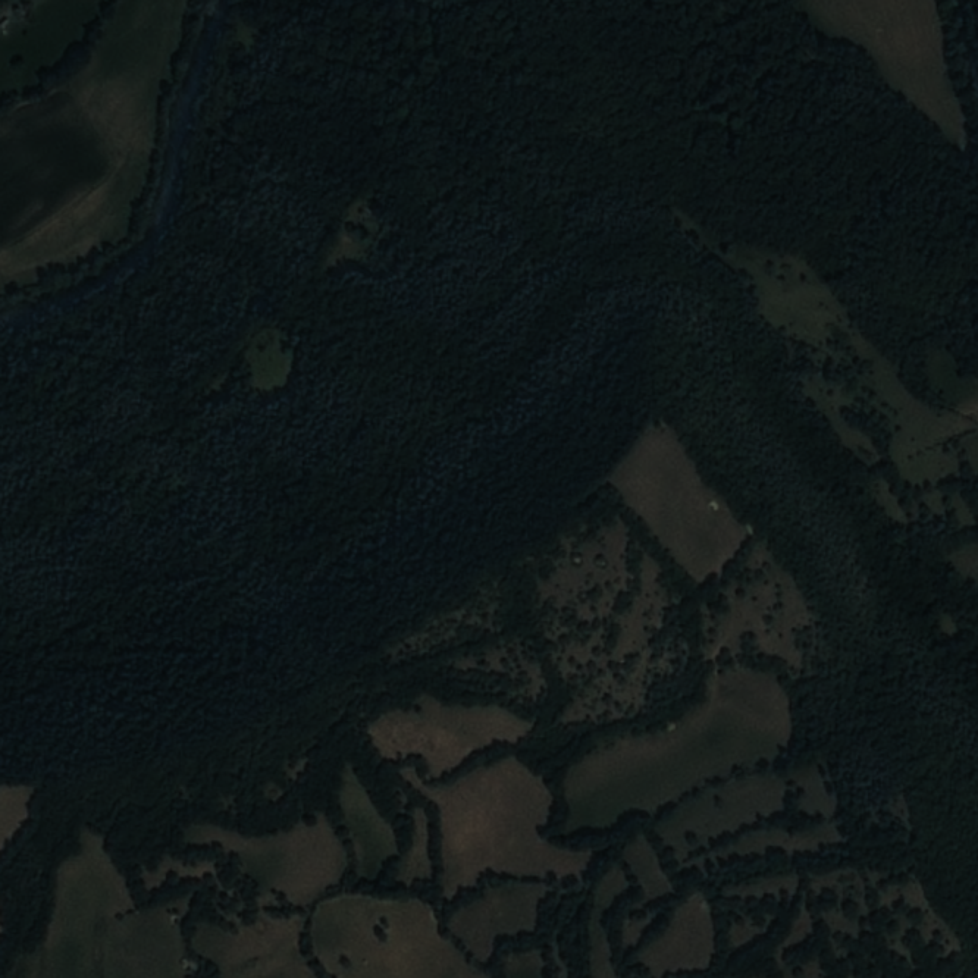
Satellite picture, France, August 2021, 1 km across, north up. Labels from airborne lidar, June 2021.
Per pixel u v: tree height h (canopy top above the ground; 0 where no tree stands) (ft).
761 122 94
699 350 43
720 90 104
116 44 0
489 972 33
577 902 27
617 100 62
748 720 0
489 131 50
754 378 33
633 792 0
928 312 49
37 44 0
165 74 0
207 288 39
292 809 47
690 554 0
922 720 39
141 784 39
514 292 63
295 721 34
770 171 102
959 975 26
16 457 50
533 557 23
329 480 75
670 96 74
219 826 30
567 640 26
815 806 0
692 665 36
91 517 62
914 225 82
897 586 67
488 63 54
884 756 49
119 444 51
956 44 56
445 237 56
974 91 81
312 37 92
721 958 32
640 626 0
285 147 67
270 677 54
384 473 56
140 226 47
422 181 67
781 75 93
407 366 68
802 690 39
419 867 0
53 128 0
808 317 0
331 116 80
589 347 44
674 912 34
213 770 26
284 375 0
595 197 67
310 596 48
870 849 39
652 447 0
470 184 58
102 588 89
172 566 56
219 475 46
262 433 59
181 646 53
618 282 44
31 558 44
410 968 0
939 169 79
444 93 68
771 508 48
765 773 37
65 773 31
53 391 45
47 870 36
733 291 69
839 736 52
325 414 57
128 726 67
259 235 25
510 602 29
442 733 0
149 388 48
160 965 0
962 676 68
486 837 0
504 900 0
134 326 69
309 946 24
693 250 61
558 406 37
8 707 55
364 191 62
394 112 61
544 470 46
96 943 0
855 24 0
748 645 35
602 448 37
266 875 0
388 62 60
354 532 57
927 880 33
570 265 58
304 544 95
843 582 28
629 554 19
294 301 70
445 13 59
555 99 73
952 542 56
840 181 84
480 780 0
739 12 34
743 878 24
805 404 40
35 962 0
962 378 29
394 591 44
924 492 37
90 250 0
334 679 35
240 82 32
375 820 0
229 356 67
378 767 31
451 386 59
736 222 62
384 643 38
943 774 31
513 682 33
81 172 0
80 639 84
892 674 68
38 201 0
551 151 67
